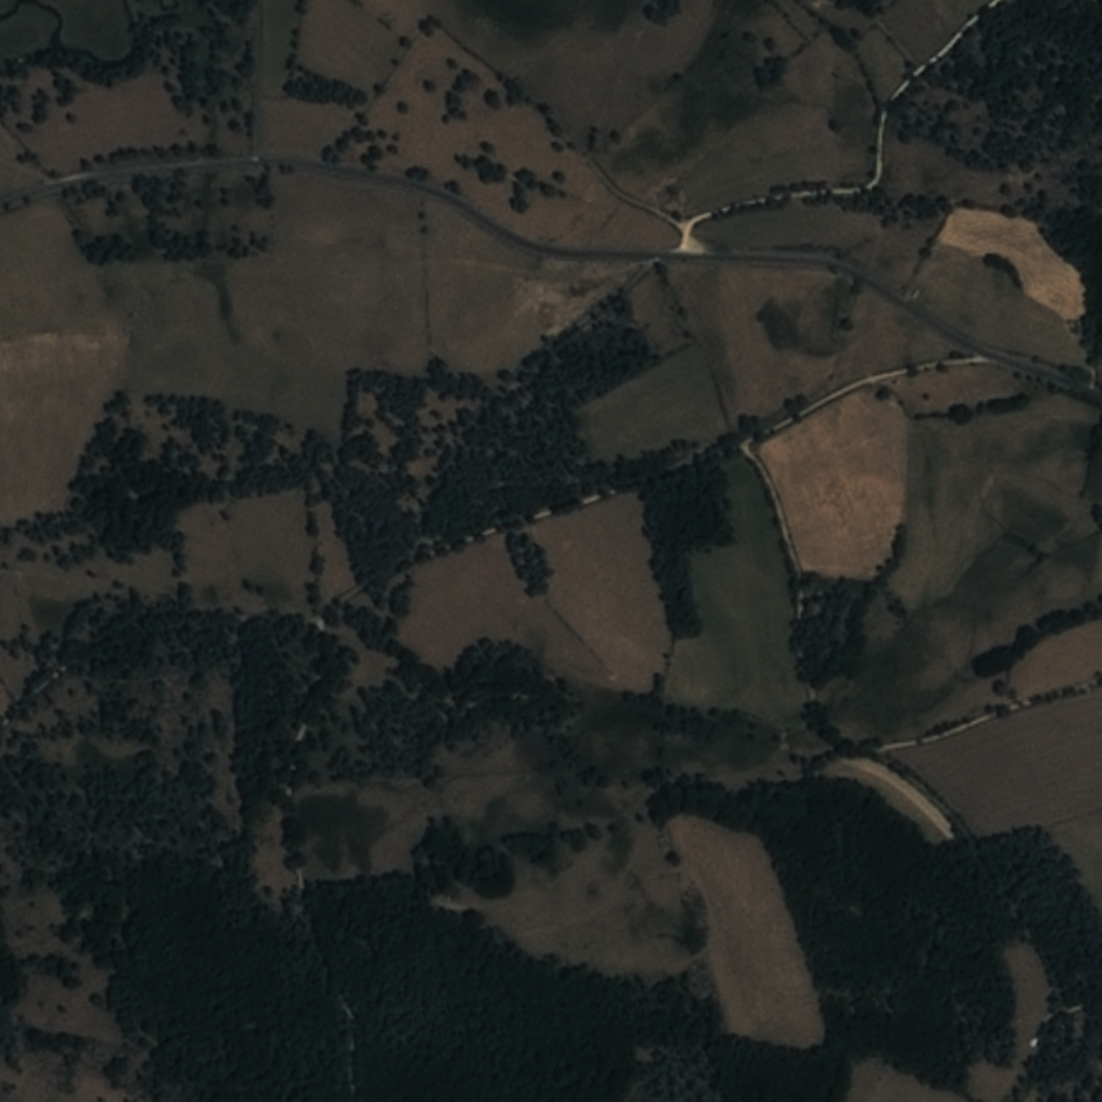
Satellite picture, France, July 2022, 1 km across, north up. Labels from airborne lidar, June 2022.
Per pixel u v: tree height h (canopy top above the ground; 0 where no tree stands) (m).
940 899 14
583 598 0
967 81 10
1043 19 10
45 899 0
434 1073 19
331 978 18
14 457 0
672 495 18
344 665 20
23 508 0
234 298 0
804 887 7
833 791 10
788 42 0
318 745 20
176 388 0
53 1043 12
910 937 17
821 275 0
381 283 0
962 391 0
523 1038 16
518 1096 16
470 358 0
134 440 16
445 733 14
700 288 0
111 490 16
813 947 7
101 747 0
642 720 0
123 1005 15
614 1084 17
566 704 16
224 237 0
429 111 0
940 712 0
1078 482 0
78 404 0
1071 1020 18
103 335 0
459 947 14
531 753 0
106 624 12
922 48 0
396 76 0
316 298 0
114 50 0
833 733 18
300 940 8
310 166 0
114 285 0
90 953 9
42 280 0
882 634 0
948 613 0
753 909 0
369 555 20
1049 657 0
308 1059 9
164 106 0
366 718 16
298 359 0
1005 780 0
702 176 0
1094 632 0
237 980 11
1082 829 0
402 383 19
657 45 0
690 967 0
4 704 0
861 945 11
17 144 0
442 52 0
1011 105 9
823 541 0
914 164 0
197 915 20
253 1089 13
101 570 0
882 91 0
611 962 0
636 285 0
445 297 0
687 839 0
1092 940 17
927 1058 18
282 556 0
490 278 0
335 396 0
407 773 14
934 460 0
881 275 0
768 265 0
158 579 0
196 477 15
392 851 0
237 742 11
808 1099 18
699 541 19
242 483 17
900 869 12
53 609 0
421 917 16
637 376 15
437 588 0
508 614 0
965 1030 15
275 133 0
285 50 0
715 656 0
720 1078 17
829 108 0
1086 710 0
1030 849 16
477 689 18
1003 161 15
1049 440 0
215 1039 10
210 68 8
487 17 0
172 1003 12
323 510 0
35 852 8
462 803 0
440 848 16
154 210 14
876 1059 16
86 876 16
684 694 0
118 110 0
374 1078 15
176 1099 0
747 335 0
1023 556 0
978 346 0
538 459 18
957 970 15
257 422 13
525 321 0
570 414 17
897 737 0
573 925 0
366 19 0
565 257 0
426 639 0
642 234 0
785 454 0
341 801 0
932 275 0
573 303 0
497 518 8
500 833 0
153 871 18
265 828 0
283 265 0
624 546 0
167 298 0
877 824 20
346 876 0
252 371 0
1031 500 0
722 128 0
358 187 0
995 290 0
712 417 0
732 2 0
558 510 17
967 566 0
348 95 15
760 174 0
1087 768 0
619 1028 18
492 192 0
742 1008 0
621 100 0
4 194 0
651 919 0
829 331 0
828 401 0
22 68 13
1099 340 18
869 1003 7
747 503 0
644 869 0
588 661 0
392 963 18
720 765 0
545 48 0
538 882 0
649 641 0
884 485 0
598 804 0
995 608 0
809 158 0
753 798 23
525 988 16
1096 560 0
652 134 0
